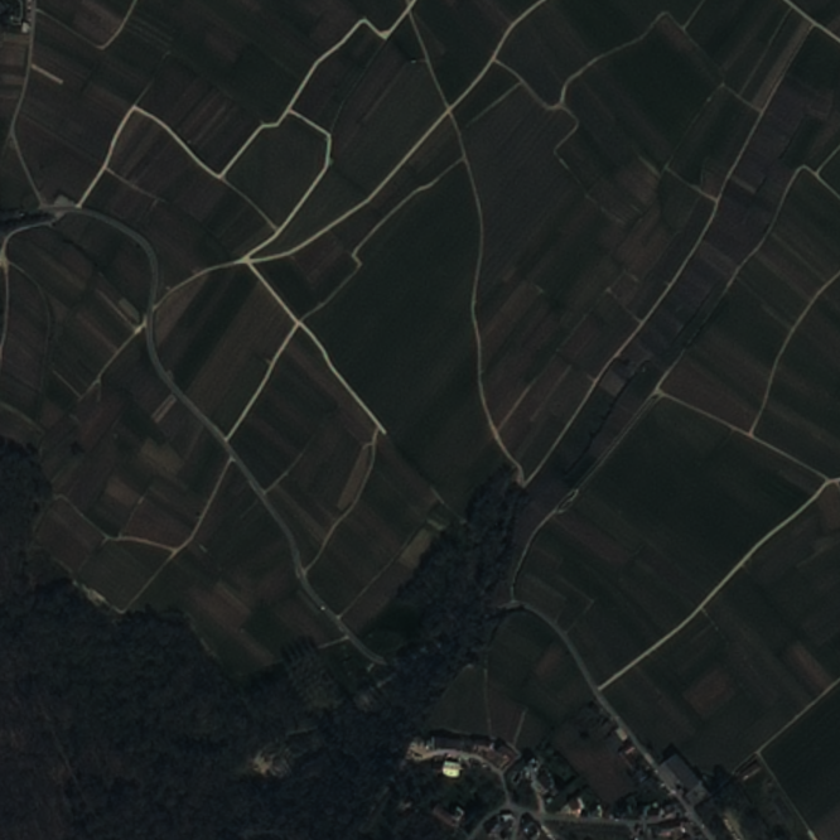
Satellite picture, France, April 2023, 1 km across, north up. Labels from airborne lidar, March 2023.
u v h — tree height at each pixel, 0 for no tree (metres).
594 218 0
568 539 0
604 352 0
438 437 0
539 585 0
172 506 0
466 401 0
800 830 0
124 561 0
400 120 0
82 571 0
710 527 0
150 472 0
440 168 0
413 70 0
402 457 0
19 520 25
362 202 0
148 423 0
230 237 0
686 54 0
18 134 0
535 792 11
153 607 0
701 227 0
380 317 0
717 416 0
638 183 0
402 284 0
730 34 0
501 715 0
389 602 0
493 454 0
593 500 0
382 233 0
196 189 0
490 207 0
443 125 0
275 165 0
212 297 0
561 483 0
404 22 0
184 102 0
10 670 26
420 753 0
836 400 0
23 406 0
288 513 0
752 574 0
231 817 24
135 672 23
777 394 0
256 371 0
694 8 0
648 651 0
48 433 0
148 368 0
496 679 0
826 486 0
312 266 0
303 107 0
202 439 0
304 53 0
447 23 0
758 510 0
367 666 0
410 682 25
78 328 0
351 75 0
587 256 0
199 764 30
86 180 0
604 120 0
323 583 0
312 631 0
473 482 0
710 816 15
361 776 32
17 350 0
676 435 0
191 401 0
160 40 0
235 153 0
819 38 0
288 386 0
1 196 0
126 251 0
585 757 0
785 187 0
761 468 0
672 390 0
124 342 0
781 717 0
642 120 0
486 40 0
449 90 0
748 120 0
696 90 0
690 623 0
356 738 29
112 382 0
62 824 27
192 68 0
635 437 0
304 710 28
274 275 0
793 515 0
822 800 0
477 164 0
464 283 0
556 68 0
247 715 31
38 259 0
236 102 0
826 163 0
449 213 0
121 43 0
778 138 0
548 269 0
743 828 18
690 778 0
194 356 0
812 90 0
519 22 0
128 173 0
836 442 0
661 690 0
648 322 0
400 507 0
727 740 0
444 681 18
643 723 0
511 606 0
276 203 0
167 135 0
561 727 0
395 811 0
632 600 0
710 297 0
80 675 26
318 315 0
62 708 31
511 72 0
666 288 0
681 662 0
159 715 28
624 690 0
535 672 0
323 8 0
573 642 0
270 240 0
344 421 0
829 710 0
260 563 0
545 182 0
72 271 0
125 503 0
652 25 0
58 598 23
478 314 0
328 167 0
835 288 0
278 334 0
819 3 0
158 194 0
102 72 0
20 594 26
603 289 0
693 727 0
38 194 0
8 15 14
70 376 0
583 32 0
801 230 0
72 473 0
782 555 0
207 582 0
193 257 0
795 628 0
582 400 0
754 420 0
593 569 0
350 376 0
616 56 0
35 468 17
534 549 0
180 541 0
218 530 0
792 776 0
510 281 0
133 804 32
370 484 0
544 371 0
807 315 0
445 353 0
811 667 0
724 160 0
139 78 0
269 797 26
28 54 0
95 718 25
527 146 0
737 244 0
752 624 0
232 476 0
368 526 0
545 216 0
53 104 0
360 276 0
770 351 0
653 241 0
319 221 0
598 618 0
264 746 20
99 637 21
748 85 0
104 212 0
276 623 0
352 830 24
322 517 0
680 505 0
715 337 0
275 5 0
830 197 0
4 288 0
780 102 0
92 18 0
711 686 0
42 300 0
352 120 0
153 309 0
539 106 0
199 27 0
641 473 0
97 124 0
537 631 0
